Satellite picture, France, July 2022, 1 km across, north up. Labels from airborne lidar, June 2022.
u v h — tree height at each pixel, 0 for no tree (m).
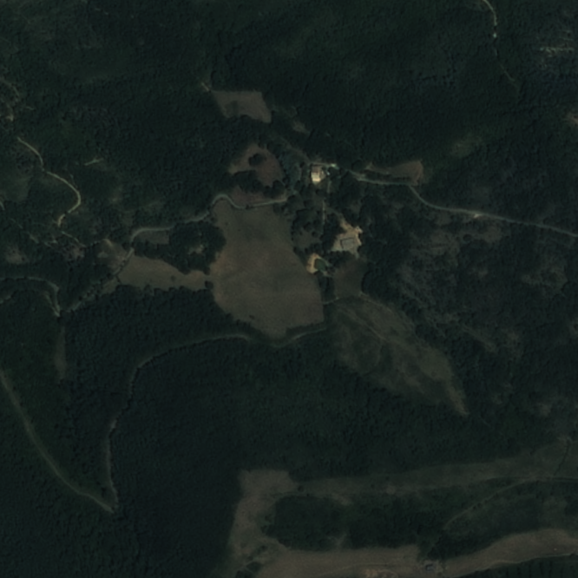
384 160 16
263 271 0
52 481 10
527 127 19
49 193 6
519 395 14
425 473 0
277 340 0
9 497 13
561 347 11
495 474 0
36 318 11
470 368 12
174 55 14
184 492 11
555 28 8
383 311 0
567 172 10
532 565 7
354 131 12
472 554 0
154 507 11
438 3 11
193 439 12
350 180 9
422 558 0
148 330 13
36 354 8
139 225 9
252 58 16
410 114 15
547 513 0
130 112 16
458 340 10
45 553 13
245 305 0
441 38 11
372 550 0
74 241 11
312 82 20
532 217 10
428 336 12
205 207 11
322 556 0
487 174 8
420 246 6
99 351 13
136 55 7
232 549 0
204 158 10
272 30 15
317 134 12
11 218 6
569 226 9
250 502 0
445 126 13
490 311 9
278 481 0
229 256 0
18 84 8
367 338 0
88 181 10
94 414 13
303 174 6
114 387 13
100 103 13
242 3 6
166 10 11
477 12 12
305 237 0
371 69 11
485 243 10
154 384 12
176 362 14
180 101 16
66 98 19
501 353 9
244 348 8
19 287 7
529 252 11
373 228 12
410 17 14
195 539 12
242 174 15
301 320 0
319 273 14
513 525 0
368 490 0
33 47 7
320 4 13
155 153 10
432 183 10
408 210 8
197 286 0
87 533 8
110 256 0
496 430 6
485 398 11
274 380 9
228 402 6
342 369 13
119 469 9
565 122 9
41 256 12
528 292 8
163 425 13
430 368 0
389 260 10
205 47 18
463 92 8
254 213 0
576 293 7
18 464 14
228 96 0
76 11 8
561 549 0
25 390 10
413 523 13
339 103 10
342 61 6
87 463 6
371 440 11
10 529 10
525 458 0
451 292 8
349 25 9
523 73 11
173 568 11
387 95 12
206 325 12
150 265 0
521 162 11
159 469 9
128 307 16
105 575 20
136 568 20
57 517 17
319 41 10
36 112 13
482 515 0
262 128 13
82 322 10
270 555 0
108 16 8
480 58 12
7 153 7
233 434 6
